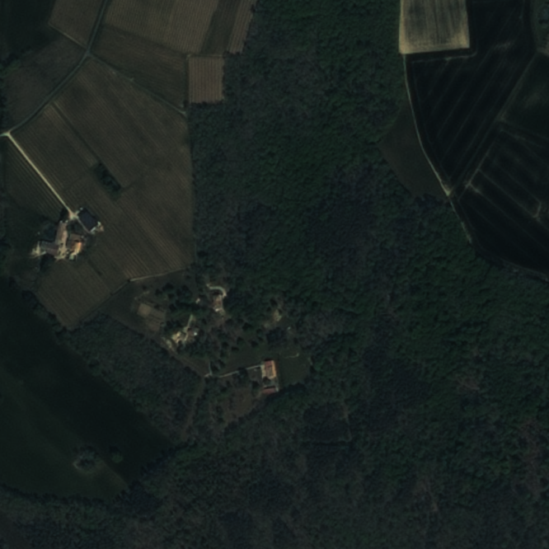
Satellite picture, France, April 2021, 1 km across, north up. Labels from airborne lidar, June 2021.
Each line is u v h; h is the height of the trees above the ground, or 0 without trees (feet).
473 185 0
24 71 0
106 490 0
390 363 44
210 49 0
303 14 67
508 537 68
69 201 0
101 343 45
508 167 0
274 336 36
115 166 0
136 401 39
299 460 47
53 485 0
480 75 0
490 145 0
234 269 52
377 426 41
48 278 0
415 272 62
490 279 64
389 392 43
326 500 38
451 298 53
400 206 68
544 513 40
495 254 0
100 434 0
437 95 0
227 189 66
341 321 74
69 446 0
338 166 54
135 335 38
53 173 0
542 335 58
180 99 0
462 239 69
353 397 38
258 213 85
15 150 0
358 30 71
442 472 54
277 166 96
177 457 70
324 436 48
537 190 0
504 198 0
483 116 0
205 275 48
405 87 41
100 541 64
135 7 0
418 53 0
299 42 71
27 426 0
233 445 59
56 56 0
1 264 68
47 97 0
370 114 79
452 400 28
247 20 0
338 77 89
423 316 44
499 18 0
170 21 0
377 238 63
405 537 52
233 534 76
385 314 30
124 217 0
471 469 68
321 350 69
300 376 0
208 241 48
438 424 44
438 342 46
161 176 0
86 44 0
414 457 62
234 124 58
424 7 0
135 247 0
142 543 45
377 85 63
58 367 0
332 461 40
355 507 50
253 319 57
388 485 55
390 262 80
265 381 30
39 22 0
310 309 53
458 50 0
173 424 32
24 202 0
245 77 45
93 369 53
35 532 59
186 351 52
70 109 0
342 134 81
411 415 21
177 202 0
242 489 38
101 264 0
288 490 57
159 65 0
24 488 0
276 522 59
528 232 0
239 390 52
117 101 0
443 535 67
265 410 43
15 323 0
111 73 0
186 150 0
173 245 0
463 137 0
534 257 0
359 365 59
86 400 0
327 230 77
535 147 0
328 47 59
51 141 0
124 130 0
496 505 82
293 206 69
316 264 67
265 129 60
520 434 27
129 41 0
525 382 55
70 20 0
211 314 34
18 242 0
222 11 0
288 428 47
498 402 67
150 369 40
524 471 18
